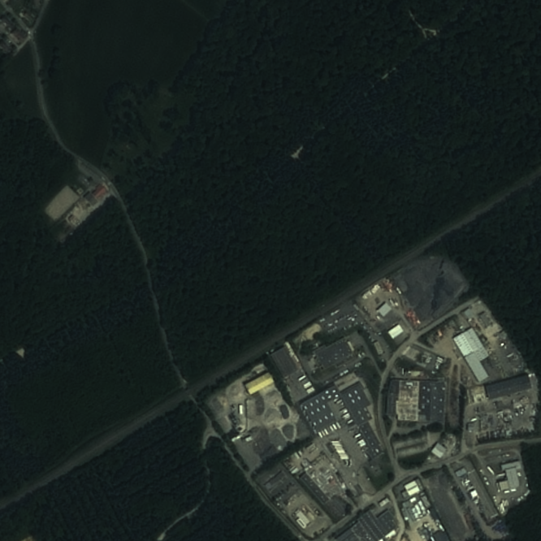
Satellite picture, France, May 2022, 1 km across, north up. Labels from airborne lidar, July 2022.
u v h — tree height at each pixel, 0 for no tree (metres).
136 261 18
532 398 0
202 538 23
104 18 0
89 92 0
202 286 24
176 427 12
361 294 0
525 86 19
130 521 23
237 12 23
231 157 28
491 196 21
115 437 0
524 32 29
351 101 24
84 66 0
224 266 21
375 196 28
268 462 14
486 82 29
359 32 29
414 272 0
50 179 16
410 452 0
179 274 21
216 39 23
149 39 0
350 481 0
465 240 27
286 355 0
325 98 27
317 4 30
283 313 26
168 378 16
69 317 10
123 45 0
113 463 15
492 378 0
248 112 29
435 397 0
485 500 0
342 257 22
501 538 0
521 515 15
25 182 21
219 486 16
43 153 15
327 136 24
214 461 17
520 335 22
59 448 9
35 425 14
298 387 0
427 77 20
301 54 33
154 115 0
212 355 21
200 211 14
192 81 25
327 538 0
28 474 17
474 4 29
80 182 0
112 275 15
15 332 22
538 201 25
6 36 9
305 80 27
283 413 0
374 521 0
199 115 23
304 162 26
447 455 0
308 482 0
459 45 23
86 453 0
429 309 0
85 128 0
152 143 27
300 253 26
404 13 30
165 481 21
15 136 20
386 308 0
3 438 20
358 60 29
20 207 23
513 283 23
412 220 20
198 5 0
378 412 0
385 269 0
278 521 14
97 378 7
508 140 23
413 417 0
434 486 0
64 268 27
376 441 0
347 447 0
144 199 23
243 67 31
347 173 30
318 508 0
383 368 6
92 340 21
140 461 20
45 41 0
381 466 0
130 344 17
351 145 28
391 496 0
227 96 24
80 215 0
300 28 32
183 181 27
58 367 15
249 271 25
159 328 11
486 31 29
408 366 0
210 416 15
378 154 26
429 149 17
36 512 22
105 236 18
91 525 20
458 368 0
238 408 0
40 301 14
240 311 24
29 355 18
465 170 23
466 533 0
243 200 20
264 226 22
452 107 18
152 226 20
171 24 0
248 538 22
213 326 27
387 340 0
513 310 22
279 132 31
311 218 25
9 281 28
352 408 0
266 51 29
